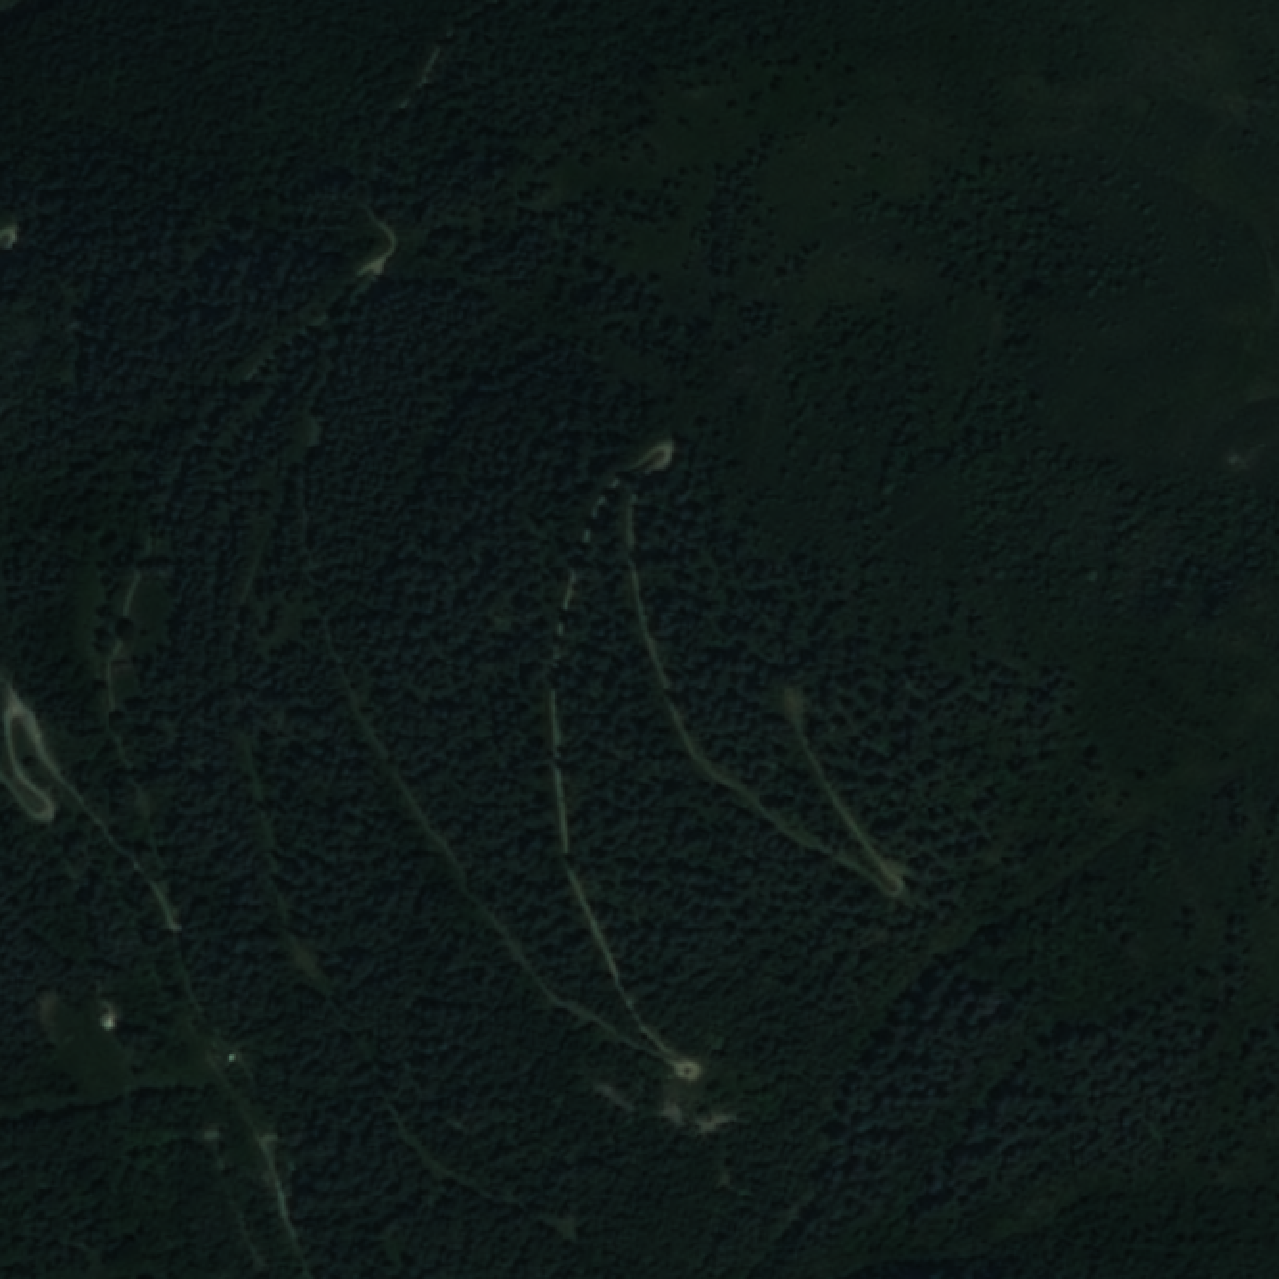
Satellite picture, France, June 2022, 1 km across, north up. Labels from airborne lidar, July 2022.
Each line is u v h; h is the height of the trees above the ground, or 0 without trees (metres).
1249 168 0
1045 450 6
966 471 7
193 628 20
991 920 14
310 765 28
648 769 28
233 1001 19
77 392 12
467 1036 25
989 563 6
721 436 8
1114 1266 8
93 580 0
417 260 6
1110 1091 18
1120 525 10
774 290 0
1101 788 9
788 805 25
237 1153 7
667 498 7
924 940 20
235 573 23
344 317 17
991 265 8
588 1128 17
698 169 8
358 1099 15
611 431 9
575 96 10
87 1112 14
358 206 20
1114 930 13
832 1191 34
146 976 12
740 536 9
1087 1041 24
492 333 5
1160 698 7
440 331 18
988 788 7
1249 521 7
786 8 7
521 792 20
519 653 23
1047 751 12
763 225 11
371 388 22
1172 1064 22
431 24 9
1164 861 10
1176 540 6
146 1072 8
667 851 8
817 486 0
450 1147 22
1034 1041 6
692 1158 20
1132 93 0
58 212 15
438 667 25
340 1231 14
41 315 10
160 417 13
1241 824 13
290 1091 20
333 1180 18
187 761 31
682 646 25
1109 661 6
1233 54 0
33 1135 20
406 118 13
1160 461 0
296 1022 15
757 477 0
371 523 17
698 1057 19
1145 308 0
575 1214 26
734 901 31
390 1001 26
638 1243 17
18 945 34
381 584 13
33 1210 17
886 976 6
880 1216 12
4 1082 16
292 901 31
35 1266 18
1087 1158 26
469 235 10
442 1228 26
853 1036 12
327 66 8
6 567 13
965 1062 26
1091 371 0
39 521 8
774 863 24
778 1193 15
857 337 7
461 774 18
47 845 15
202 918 16
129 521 9
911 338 6
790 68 8
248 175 14
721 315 8
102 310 19
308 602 10
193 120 10
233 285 29
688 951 24
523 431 19
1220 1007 13
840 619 10
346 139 12
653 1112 13
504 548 25
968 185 8
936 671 16
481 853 11
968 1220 9
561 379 23
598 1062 11
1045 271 7
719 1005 17
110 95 11
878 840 6
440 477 25
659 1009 18
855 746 8
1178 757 10
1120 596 7
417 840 19
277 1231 15
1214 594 6
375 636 27
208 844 32
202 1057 0
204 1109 14
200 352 29
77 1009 20
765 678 27
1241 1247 8
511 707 20
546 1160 9
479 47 10
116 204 17
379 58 11
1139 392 0
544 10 9
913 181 0
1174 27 0
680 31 9
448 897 19
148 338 30
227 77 8
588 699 26
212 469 17
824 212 0
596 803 14
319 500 18
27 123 10
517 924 17
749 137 0
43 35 8
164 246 28
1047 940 6
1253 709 0
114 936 34
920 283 0
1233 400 0
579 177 0
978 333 0
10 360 7
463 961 20
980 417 6
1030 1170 16
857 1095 33
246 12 8
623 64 11
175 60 8
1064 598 7
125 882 16
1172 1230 8
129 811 30
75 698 14
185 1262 14
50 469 17
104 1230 15
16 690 9
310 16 9
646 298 17
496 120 11
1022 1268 9
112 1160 14
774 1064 17
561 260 12
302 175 16
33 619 9
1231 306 0
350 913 27
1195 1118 14
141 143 8
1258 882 11
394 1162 17
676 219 15
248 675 17
